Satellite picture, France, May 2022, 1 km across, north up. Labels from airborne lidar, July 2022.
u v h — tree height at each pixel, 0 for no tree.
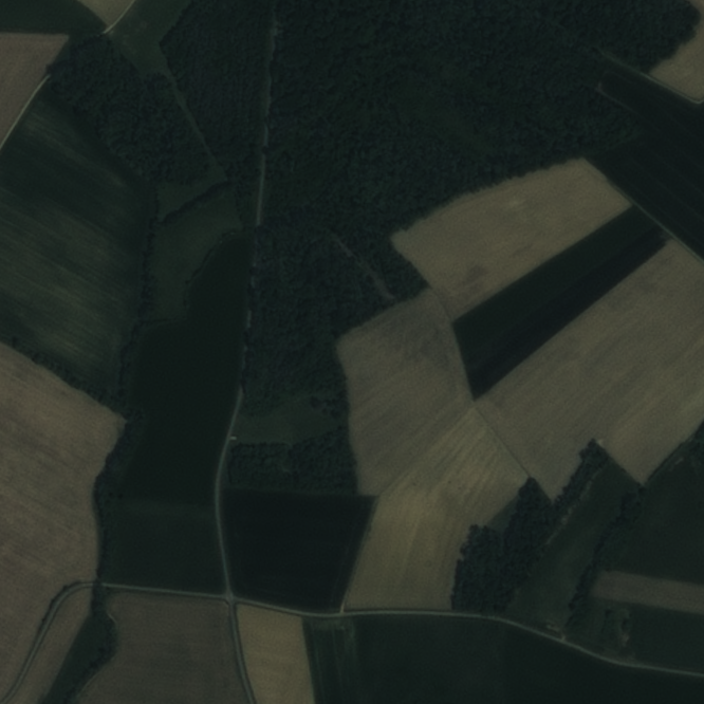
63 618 0
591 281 0
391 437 0
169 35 11
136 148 26
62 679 0
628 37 21
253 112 16
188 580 0
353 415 0
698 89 0
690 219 0
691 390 0
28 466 0
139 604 0
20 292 0
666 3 21
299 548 0
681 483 0
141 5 0
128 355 16
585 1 24
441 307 0
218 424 0
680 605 0
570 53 27
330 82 24
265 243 27
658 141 0
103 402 16
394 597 0
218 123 19
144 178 13
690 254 0
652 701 0
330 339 21
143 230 0
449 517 0
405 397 0
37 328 0
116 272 0
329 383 13
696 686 0
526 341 0
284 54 24
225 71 8
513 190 0
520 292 0
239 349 0
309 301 26
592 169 0
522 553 21
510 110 6
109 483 22
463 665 0
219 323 0
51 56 0
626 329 0
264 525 0
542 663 0
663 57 21
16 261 0
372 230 23
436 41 32
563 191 0
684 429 0
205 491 0
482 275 0
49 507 0
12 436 0
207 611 0
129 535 0
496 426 0
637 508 14
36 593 0
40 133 0
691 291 0
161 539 0
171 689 0
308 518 0
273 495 0
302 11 27
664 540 0
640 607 0
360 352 0
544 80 26
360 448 0
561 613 0
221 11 16
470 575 22
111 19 0
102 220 0
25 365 0
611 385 0
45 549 0
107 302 0
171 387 0
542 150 24
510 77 30
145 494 0
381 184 27
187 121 13
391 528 0
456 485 0
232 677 0
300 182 7
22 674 0
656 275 0
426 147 24
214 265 0
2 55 0
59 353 0
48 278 0
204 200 14
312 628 0
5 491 0
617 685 0
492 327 0
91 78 25
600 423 0
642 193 0
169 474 0
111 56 20
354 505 0
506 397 0
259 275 19
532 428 0
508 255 0
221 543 0
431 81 32
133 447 13
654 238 0
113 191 0
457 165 14
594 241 0
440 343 0
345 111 9
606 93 0
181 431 0
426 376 0
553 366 0
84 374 0
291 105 24
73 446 0
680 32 20
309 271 27
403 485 0
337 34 28
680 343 0
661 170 0
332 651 0
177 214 10
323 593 0
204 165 19
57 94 23
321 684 0
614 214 0
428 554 0
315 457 15
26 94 0
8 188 0
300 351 16
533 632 0
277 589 0
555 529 15
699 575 0
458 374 0
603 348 0
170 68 14
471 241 0
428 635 0
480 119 27
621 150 0
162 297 0
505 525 0
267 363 18
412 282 18
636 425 0
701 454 10
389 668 0
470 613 12
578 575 0
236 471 15
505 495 0
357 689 0
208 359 0
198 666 0
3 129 0
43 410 0
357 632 0
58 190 0
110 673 0
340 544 0
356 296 26
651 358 0
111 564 8
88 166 0
